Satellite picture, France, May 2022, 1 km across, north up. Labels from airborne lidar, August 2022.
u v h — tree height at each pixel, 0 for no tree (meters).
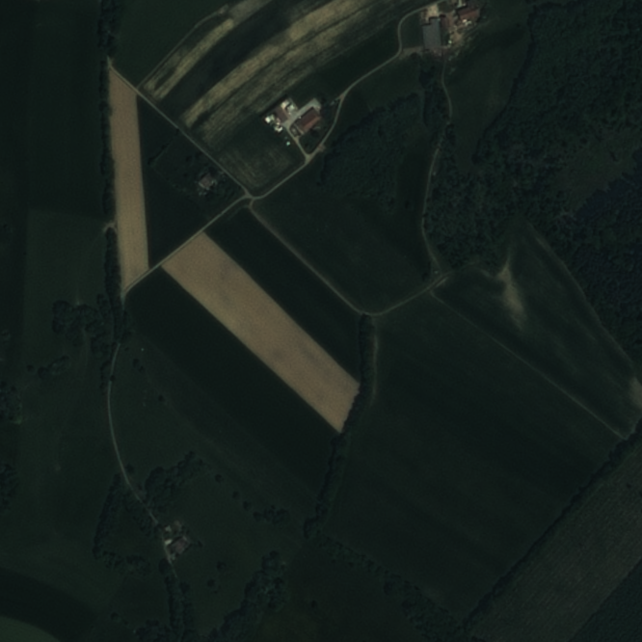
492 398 0
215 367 0
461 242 17
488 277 0
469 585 0
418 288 0
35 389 0
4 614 0
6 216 0
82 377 0
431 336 0
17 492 18
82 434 0
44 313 0
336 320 0
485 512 0
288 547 0
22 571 0
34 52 0
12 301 0
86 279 0
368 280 0
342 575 0
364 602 0
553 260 0
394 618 0
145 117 0
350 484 0
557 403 0
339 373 0
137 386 0
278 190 0
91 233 0
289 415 0
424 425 0
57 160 0
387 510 0
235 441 0
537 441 0
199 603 0
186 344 0
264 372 0
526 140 23
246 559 0
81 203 0
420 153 0
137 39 0
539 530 0
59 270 0
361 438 0
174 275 0
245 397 0
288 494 0
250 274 0
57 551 0
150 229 0
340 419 0
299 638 0
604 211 34
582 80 22
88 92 0
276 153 0
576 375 0
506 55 0
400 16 0
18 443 0
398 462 0
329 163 16
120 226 0
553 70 24
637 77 22
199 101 0
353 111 0
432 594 0
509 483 0
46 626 0
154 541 16
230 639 20
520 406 0
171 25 0
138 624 0
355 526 0
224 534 0
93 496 0
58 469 0
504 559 0
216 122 0
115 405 0
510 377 0
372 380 14
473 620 15
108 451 0
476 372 0
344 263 0
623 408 0
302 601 0
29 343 0
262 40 0
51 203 0
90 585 0
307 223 0
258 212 0
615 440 0
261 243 0
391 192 16
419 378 0
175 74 0
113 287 16
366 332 19
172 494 26
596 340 0
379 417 0
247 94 0
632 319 29
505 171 18
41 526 0
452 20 0
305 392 0
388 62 0
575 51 21
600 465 0
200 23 0
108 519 20
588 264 30
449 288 0
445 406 0
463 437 0
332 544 15
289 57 0
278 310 0
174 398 0
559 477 0
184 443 0
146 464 0
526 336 0
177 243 0
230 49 0
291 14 0
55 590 0
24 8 0
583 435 0
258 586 23
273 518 20
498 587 11
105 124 12
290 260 0
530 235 0
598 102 23
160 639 22
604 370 0
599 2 24
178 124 0
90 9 0
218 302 0
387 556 0
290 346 0
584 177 0
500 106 0
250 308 0
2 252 0
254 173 0
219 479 12
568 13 22
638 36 16
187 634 24
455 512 0
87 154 0
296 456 0
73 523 0
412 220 0
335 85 0
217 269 0
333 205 0
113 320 9
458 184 13
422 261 0
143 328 0
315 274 0
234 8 0
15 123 0
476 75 0
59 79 0
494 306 0
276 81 0
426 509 0
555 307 0
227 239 0
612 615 6
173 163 0
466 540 0
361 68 0
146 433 0
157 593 0
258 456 0
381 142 22
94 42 0
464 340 0
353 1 0
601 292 25
